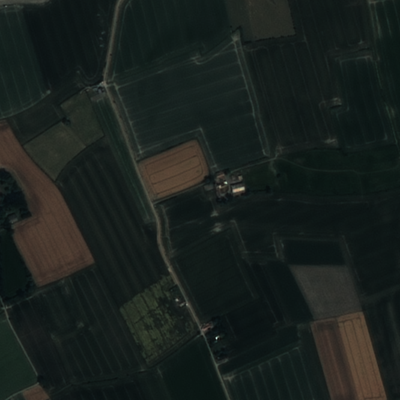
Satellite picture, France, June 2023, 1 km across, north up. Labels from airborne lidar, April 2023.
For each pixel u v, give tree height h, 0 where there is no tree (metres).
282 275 0
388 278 0
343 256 0
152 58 0
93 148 0
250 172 0
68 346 0
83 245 0
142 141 0
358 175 0
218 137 0
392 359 0
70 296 0
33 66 0
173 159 0
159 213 0
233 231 0
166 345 0
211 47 0
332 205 0
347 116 0
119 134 0
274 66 0
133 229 0
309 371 0
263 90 0
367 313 0
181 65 0
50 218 0
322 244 0
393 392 0
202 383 0
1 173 19
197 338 0
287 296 0
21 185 0
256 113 0
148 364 0
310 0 0
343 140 0
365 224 0
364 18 0
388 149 0
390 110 0
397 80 0
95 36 0
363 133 0
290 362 0
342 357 0
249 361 0
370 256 0
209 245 0
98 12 0
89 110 0
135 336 0
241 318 0
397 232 0
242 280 0
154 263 0
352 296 0
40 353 0
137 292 0
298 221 0
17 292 0
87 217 0
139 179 0
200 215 0
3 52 0
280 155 0
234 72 0
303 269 0
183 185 0
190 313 0
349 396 0
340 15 0
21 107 0
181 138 0
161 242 0
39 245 0
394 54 0
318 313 0
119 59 0
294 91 0
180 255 0
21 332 0
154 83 0
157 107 0
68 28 0
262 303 0
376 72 0
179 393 0
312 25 0
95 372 0
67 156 0
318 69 0
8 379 0
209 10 0
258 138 0
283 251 0
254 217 0
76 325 0
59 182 0
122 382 0
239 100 0
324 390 0
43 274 0
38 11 0
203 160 0
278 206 0
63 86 0
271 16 0
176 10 0
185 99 0
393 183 0
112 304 0
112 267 0
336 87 0
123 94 0
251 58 0
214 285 0
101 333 0
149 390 0
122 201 0
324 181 0
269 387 0
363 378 0
